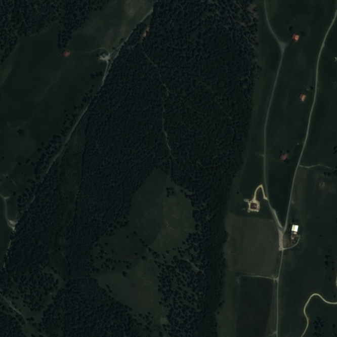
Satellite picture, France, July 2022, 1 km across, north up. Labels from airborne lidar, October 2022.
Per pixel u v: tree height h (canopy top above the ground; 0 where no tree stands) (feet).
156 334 0
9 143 0
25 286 46
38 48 0
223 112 63
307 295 0
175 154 47
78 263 46
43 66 0
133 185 30
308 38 0
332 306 0
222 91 40
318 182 0
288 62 0
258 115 0
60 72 0
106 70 0
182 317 26
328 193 0
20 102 0
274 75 0
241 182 0
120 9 0
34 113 0
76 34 0
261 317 0
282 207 0
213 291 75
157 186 0
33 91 0
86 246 22
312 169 0
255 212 0
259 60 0
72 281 27
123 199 24
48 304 0
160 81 33
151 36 63
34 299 43
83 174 37
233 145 51
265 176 0
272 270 0
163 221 0
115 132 36
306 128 0
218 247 67
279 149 0
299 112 0
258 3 0
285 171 0
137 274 0
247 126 68
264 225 0
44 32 0
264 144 0
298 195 0
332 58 0
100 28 0
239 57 53
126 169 35
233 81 51
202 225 34
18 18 57
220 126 33
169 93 34
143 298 0
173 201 0
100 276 0
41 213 59
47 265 61
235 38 65
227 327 0
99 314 56
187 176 27
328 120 0
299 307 0
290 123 0
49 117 0
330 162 0
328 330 0
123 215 24
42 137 0
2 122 0
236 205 0
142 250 0
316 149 0
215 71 59
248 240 0
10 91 0
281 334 0
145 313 0
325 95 0
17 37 73
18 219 0
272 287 0
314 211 0
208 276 67
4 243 0
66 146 32
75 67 0
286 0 0
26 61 0
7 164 0
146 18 0
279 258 0
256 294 0
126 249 0
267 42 0
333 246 0
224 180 57
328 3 0
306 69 0
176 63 36
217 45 81
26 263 29
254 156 0
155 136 24
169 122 19
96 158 28
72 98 0
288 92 0
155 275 0
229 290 0
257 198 0
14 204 0
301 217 0
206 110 35
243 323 0
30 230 48
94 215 43
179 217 0
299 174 0
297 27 0
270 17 0
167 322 0
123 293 0
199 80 31
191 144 36
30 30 62
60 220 20
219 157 20
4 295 64
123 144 32
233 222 0
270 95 0
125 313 49
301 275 0
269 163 0
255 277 0
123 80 30
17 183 0
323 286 0
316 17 0
